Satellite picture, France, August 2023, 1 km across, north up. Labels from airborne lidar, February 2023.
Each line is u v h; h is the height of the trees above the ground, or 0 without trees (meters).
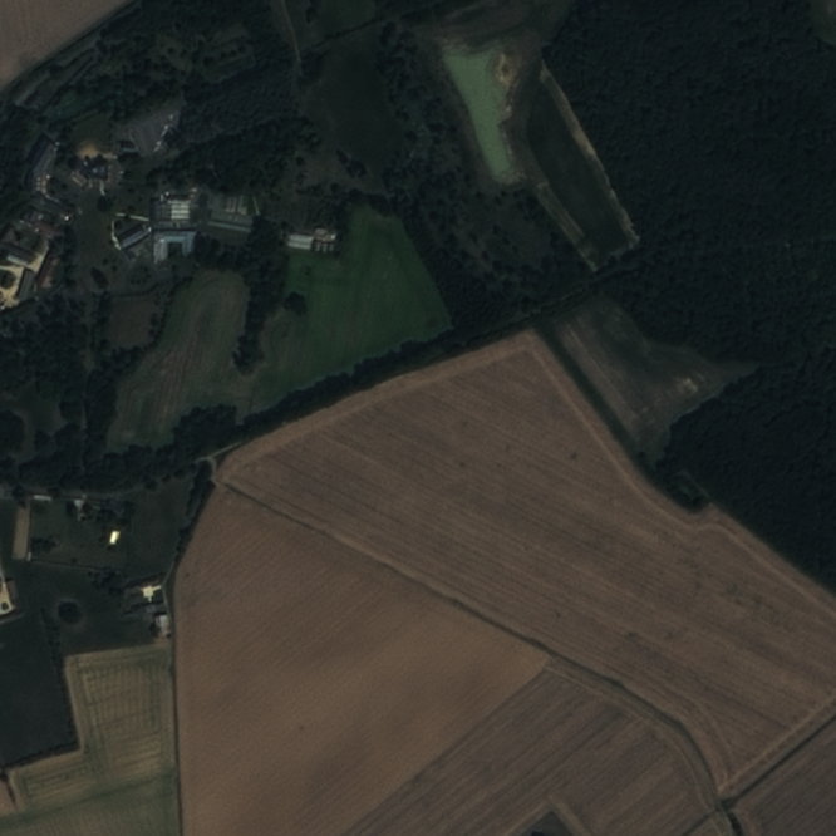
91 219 0
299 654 0
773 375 14
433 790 0
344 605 0
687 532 0
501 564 0
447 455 0
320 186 7
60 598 0
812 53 27
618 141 23
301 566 0
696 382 0
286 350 0
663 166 22
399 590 0
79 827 0
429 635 0
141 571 0
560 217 0
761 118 17
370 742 0
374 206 17
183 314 0
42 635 0
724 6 26
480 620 0
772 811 0
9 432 18
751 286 24
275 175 9
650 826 0
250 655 0
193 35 15
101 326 13
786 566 0
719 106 15
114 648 0
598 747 0
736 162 23
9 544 0
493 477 0
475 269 19
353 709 0
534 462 0
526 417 0
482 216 0
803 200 21
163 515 0
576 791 0
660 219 22
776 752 0
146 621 0
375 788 0
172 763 0
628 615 0
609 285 15
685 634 0
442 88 0
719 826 0
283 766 0
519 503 0
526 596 0
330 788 0
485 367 0
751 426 17
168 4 21
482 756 0
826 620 0
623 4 21
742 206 18
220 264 20
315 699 0
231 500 0
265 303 15
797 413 15
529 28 0
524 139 0
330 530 0
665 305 22
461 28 0
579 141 0
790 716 0
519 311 15
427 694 0
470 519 0
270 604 0
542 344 0
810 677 0
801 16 22
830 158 21
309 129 19
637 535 0
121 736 0
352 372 0
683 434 14
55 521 0
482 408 0
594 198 0
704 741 0
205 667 0
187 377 0
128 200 0
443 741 0
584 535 0
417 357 26
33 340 23
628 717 0
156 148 0
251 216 0
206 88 12
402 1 20
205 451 22
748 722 0
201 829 0
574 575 0
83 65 8
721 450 17
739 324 23
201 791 0
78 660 0
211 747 0
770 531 12
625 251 0
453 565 0
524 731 0
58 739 0
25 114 16
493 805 0
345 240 12
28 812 0
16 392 13
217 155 21
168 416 0
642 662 0
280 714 0
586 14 25
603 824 0
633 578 0
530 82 0
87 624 0
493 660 0
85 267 0
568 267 20
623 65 20
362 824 0
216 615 0
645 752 0
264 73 20
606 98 17
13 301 0
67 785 0
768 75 22
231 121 24
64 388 16
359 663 0
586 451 0
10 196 12
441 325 0
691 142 22
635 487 0
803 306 22
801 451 20
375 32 0
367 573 0
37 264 0
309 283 0
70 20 0
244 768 0
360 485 0
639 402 0
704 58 16
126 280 0
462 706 0
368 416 0
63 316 25
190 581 0
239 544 0
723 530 0
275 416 16
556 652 0
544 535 0
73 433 19
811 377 16
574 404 0
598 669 0
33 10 0
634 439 0
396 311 0
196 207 0
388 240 0
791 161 18
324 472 0
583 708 0
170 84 9
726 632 0
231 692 0
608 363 0
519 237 0
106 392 23
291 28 0
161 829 0
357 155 0
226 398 0
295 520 0
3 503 0
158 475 12
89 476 7
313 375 0
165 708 0
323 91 0
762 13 21
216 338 0
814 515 19
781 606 0
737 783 0
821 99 24
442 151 19
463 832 0
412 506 0
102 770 0
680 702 0
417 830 0
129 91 8
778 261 23
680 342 12
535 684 0
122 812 0
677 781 0
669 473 15
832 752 0
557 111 0
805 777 0
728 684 0
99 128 0
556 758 0
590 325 0
